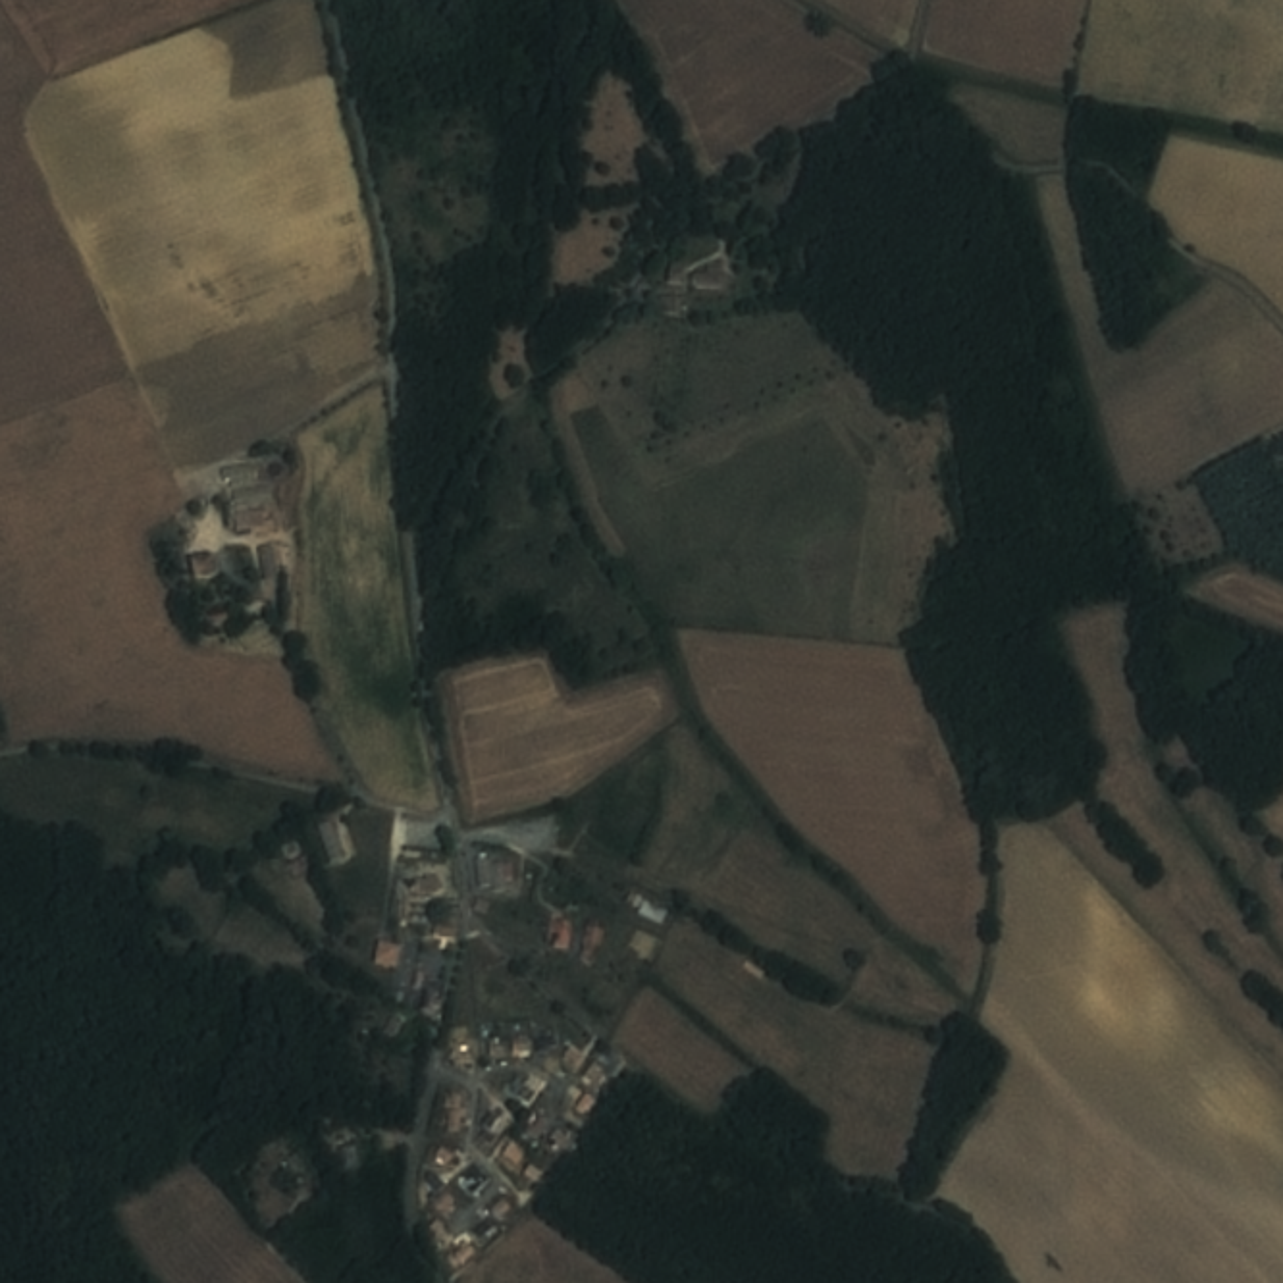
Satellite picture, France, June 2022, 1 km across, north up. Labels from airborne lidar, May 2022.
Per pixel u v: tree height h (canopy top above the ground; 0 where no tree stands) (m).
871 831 0
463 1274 0
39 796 0
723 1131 11
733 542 0
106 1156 16
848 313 17
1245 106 0
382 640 0
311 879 11
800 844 6
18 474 0
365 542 0
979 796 17
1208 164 0
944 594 12
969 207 18
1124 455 0
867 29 0
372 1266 7
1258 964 0
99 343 0
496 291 15
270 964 0
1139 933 0
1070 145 9
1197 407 0
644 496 0
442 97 11
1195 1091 0
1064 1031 0
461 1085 0
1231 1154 0
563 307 11
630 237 13
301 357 0
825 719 0
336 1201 7
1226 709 18
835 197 18
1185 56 0
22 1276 20
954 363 19
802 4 0
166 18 0
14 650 0
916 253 18
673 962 0
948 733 8
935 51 0
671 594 0
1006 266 16
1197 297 0
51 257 0
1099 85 0
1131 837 18
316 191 0
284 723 0
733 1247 15
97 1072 20
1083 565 11
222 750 0
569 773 0
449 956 8
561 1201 17
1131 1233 0
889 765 0
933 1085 17
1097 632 0
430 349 11
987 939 15
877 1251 16
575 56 18
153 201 0
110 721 0
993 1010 0
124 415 0
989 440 12
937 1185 11
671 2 0
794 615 0
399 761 0
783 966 19
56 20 0
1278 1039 0
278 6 0
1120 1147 0
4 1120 17
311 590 0
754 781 0
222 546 0
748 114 0
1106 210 14
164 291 0
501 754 0
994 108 0
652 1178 14
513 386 6
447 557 18
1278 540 12
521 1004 0
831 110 0
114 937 9
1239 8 0
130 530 0
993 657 18
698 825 0
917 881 0
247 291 0
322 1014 16
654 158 8
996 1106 0
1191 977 0
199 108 0
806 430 0
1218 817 0
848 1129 0
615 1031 0
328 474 0
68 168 0
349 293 0
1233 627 20
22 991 19
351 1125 10
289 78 0
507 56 6
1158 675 22
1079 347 0
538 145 12
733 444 0
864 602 0
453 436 6
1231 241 0
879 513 0
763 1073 16
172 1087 15
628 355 0
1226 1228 0
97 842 19
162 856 14
